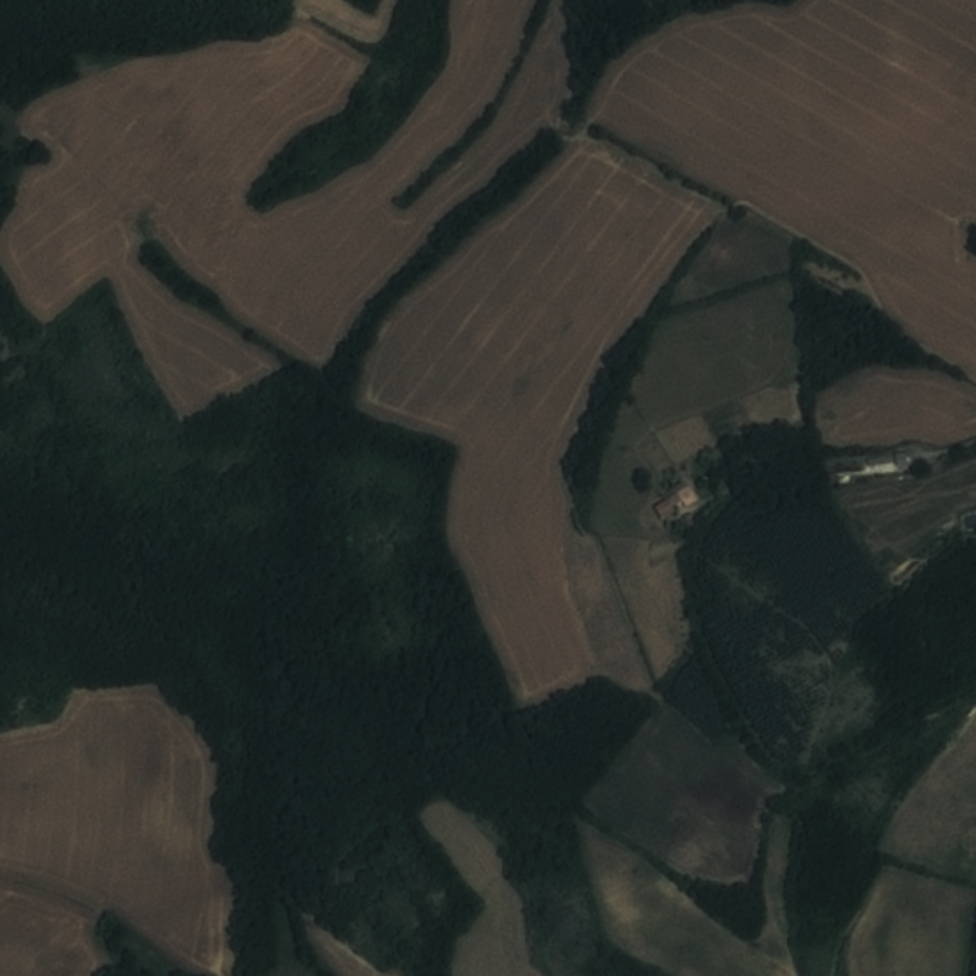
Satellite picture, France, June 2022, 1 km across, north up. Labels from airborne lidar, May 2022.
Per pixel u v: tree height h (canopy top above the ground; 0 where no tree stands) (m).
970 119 0
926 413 0
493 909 0
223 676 16
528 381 0
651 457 0
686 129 0
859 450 9
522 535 0
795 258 6
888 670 10
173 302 0
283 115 0
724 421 0
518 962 0
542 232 0
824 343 9
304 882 19
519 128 0
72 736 0
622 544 0
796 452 23
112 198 0
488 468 0
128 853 0
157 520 17
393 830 14
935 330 0
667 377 0
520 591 0
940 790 0
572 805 15
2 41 21
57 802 0
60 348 7
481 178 0
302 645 17
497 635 0
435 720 19
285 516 18
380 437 9
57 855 0
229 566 19
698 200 0
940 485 0
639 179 0
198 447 12
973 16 0
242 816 15
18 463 12
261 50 0
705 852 0
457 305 0
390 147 0
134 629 16
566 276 0
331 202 0
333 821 21
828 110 0
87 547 19
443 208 0
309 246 0
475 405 0
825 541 11
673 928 0
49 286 0
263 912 17
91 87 0
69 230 0
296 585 23
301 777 23
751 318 0
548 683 0
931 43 0
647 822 0
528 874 10
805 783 12
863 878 20
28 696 9
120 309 13
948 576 18
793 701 6
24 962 0
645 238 0
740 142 0
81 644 15
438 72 16
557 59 0
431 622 14
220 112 0
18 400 13
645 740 0
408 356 0
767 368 0
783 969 0
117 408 6
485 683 15
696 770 0
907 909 0
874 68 0
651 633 0
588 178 0
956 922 0
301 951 17
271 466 13
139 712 0
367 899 14
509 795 15
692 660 8
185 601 14
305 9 0
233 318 0
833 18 0
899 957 0
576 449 12
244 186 0
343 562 18
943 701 9
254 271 0
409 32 18
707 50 0
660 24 15
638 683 0
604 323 0
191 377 0
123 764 0
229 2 15
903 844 0
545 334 0
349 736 21
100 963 0
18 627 15
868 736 12
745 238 0
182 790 0
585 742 20
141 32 22
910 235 0
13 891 0
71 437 14
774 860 0
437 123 0
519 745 19
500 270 0
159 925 0
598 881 0
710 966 0
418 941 6
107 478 11
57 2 17
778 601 8
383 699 19
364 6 8
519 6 0
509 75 8
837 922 11
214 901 0
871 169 0
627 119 0
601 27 21
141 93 0
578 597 0
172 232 0
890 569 0
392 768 16
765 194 0
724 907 13
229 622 17
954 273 0
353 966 0
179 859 0
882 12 0
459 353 0
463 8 0
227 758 9
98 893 0
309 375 20
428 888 8
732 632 11
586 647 0
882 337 17
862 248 0
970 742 0
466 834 0
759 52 0
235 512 7
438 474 13
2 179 15
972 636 10
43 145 15
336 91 0
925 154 0
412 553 14
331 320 0
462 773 18
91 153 0
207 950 0
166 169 0
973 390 0
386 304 20
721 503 7
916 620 10
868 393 0
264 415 9
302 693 23
